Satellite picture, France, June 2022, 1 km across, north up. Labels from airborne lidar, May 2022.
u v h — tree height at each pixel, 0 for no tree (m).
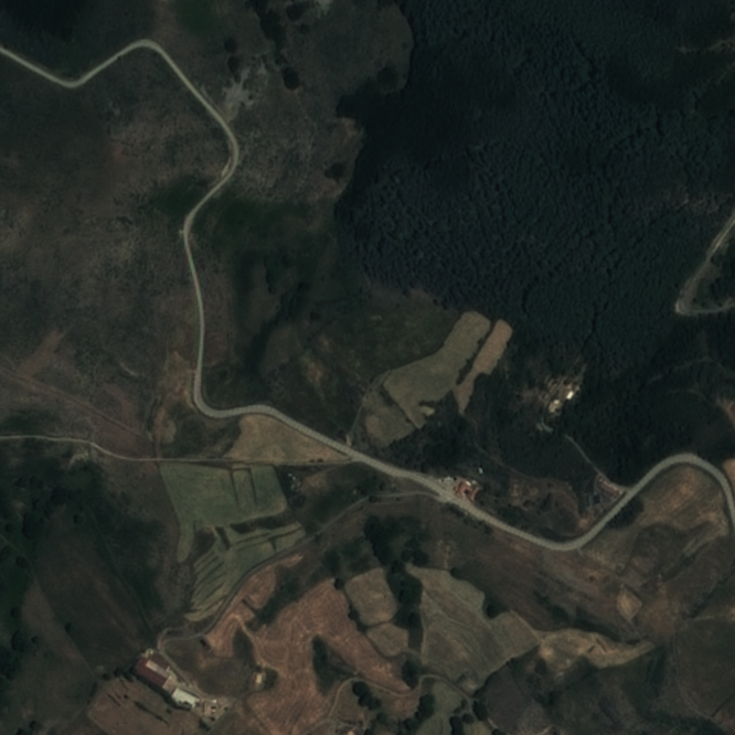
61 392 0
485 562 0
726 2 9
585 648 0
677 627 0
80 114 0
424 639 0
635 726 0
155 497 0
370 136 9
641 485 0
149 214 0
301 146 0
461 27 26
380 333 0
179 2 0
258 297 0
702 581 0
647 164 16
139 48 0
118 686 0
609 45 21
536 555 0
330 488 0
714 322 10
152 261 0
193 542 0
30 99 0
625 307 31
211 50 0
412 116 27
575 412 9
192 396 0
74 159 0
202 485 0
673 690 0
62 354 0
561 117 20
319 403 0
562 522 0
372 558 0
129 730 0
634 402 14
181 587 0
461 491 0
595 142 23
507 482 0
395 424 0
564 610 0
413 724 23
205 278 0
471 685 0
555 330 26
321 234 0
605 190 21
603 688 0
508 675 0
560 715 0
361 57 0
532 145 17
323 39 0
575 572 0
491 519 0
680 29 13
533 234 24
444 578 0
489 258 18
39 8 18
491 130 18
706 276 0
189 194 0
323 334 0
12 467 0
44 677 0
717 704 0
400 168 13
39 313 0
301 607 0
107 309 0
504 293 20
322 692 0
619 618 0
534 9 27
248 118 0
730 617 0
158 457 0
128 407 0
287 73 15
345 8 0
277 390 0
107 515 0
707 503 0
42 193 0
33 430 0
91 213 0
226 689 0
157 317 0
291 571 0
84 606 0
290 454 0
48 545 0
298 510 0
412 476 0
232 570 0
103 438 0
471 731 0
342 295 0
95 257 0
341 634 0
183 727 0
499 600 0
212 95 0
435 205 15
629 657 0
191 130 0
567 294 31
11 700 0
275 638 0
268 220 0
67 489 7
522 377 10
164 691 7
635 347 26
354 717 0
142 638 0
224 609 0
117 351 0
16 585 0
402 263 13
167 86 0
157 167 0
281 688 0
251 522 0
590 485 0
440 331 0
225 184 0
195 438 0
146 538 0
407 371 0
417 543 8
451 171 19
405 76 7
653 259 32
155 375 0
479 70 18
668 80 15
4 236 0
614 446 6
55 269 0
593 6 21
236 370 0
